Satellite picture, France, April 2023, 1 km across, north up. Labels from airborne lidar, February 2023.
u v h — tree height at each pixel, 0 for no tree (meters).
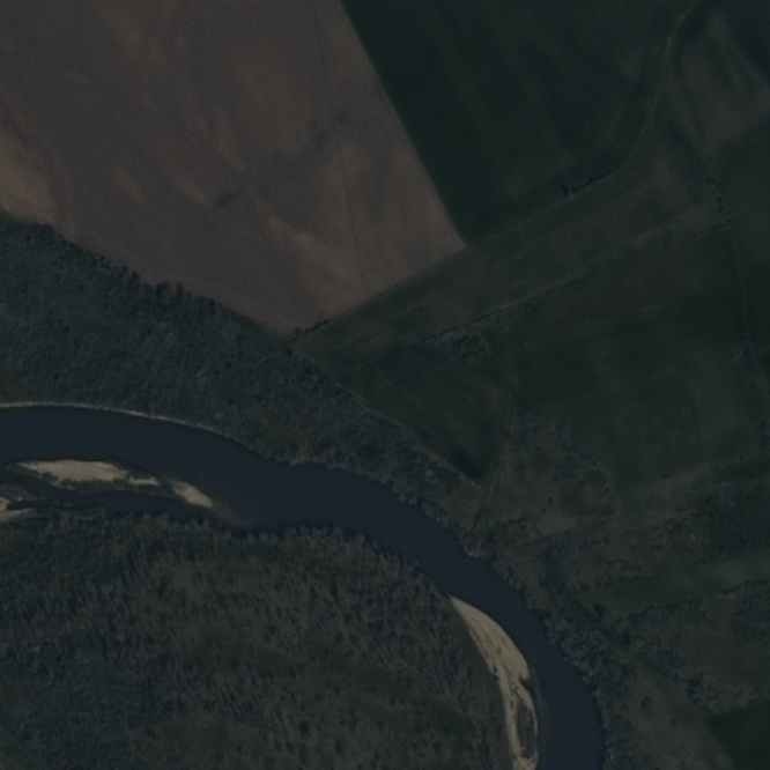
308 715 16
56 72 0
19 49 0
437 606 17
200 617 21
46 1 0
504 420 0
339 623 19
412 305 0
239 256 0
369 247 0
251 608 12
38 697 6
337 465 15
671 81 0
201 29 0
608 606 0
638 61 0
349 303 0
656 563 0
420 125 0
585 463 0
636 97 0
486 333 0
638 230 0
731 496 0
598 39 0
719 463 0
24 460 0
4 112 0
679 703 0
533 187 0
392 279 0
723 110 0
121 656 25
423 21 0
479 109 0
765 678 0
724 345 0
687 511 0
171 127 0
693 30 0
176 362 7
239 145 0
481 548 22
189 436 0
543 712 0
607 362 0
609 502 0
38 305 9
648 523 0
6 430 0
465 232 0
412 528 0
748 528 10
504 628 0
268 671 0
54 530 8
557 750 0
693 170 0
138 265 0
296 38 0
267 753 0
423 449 0
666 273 0
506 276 0
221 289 0
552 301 0
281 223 0
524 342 0
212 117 0
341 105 0
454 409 0
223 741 0
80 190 0
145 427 0
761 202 0
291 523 0
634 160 0
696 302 0
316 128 0
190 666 0
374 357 0
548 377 0
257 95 0
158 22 0
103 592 23
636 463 0
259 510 0
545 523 0
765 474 0
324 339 0
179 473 0
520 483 0
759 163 0
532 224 0
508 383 0
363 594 6
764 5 0
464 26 0
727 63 0
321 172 0
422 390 0
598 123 0
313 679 0
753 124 0
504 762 0
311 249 0
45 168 0
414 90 0
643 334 0
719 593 0
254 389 14
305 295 0
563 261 0
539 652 0
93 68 0
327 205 0
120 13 0
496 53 0
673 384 0
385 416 0
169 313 12
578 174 0
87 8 0
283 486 0
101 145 0
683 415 0
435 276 0
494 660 0
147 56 0
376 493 0
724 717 0
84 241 0
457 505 0
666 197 0
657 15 0
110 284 6
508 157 0
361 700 0
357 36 0
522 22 0
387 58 0
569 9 0
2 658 26
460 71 0
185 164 0
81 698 10
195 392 10
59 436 0
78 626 26
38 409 0
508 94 0
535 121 0
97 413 0
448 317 0
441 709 0
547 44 0
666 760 0
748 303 0
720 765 0
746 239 0
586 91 0
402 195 0
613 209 0
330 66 0
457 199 0
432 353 0
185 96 0
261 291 0
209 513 0
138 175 0
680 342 0
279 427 0
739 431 0
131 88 0
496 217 0
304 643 0
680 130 0
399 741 13
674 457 0
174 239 0
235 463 0
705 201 0
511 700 0
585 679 15
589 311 0
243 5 0
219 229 0
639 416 0
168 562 28
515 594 0
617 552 0
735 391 0
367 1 0
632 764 8
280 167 0
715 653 0
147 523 11
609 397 0
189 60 0
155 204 0
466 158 0
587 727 0
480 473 0
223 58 0
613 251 0
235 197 0
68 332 10
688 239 0
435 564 0
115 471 0
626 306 0
